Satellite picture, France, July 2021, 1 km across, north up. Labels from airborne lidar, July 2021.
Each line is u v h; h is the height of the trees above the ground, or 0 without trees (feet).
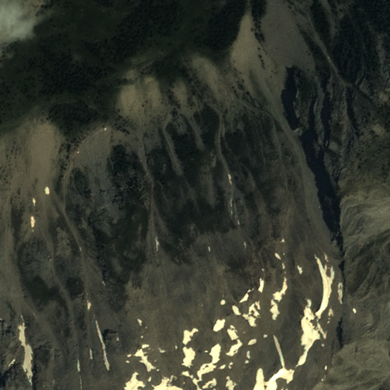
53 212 0
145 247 0
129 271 0
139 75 0
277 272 0
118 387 0
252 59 0
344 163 0
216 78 0
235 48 0
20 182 0
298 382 0
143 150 0
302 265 0
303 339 0
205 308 0
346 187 0
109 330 0
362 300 0
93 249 0
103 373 0
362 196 0
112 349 0
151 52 0
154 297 0
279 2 0
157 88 0
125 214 0
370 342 0
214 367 0
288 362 0
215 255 0
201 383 0
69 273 0
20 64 0
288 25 0
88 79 26
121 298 0
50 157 0
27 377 0
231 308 0
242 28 0
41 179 0
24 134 0
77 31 0
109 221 0
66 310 0
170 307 0
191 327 0
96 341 0
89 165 0
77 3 0
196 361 0
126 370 0
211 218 0
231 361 0
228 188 0
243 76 0
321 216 0
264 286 0
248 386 0
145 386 0
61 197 0
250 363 0
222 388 0
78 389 0
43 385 0
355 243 0
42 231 0
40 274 0
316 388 0
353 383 0
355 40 27
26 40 0
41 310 0
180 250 0
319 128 0
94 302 0
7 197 0
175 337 0
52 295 0
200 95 20
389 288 0
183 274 0
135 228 0
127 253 0
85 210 0
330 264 0
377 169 0
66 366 0
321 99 0
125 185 0
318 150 0
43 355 0
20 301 0
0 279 0
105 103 0
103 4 21
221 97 0
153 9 23
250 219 0
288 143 0
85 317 0
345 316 0
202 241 0
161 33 25
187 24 0
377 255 0
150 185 0
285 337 0
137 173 21
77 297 0
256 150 0
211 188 0
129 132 24
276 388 0
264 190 0
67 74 31
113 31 0
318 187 0
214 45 29
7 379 0
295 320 0
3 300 0
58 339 0
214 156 0
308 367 0
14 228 0
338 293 0
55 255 0
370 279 0
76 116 22
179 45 0
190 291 0
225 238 0
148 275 0
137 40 34
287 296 0
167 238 0
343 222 0
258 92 0
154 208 0
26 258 0
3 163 0
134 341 0
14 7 0
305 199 0
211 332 0
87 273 0
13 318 0
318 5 31
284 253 0
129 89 0
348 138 0
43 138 0
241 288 0
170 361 0
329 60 0
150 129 0
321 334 0
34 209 0
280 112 0
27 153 0
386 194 0
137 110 0
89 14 0
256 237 0
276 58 0
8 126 0
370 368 0
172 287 0
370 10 32
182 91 0
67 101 0
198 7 0
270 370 0
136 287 0
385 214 0
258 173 0
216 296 0
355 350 0
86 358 0
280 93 0
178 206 0
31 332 0
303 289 0
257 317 0
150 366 0
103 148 0
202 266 0
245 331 0
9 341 0
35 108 0
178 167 0
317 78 0
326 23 40
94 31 0
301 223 0
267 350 0
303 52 0
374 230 0
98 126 0
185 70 26
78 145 19
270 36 0
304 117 0
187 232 0
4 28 0
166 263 0
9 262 0
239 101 0
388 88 0
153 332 0
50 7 25
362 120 0
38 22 0
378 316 0
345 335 0
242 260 0
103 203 0
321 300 0
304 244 0
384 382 0
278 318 0
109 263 0
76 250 0
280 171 0
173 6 21
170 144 0
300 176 0
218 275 0
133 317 0
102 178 0
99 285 0
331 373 0
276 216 0
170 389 0
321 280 0
